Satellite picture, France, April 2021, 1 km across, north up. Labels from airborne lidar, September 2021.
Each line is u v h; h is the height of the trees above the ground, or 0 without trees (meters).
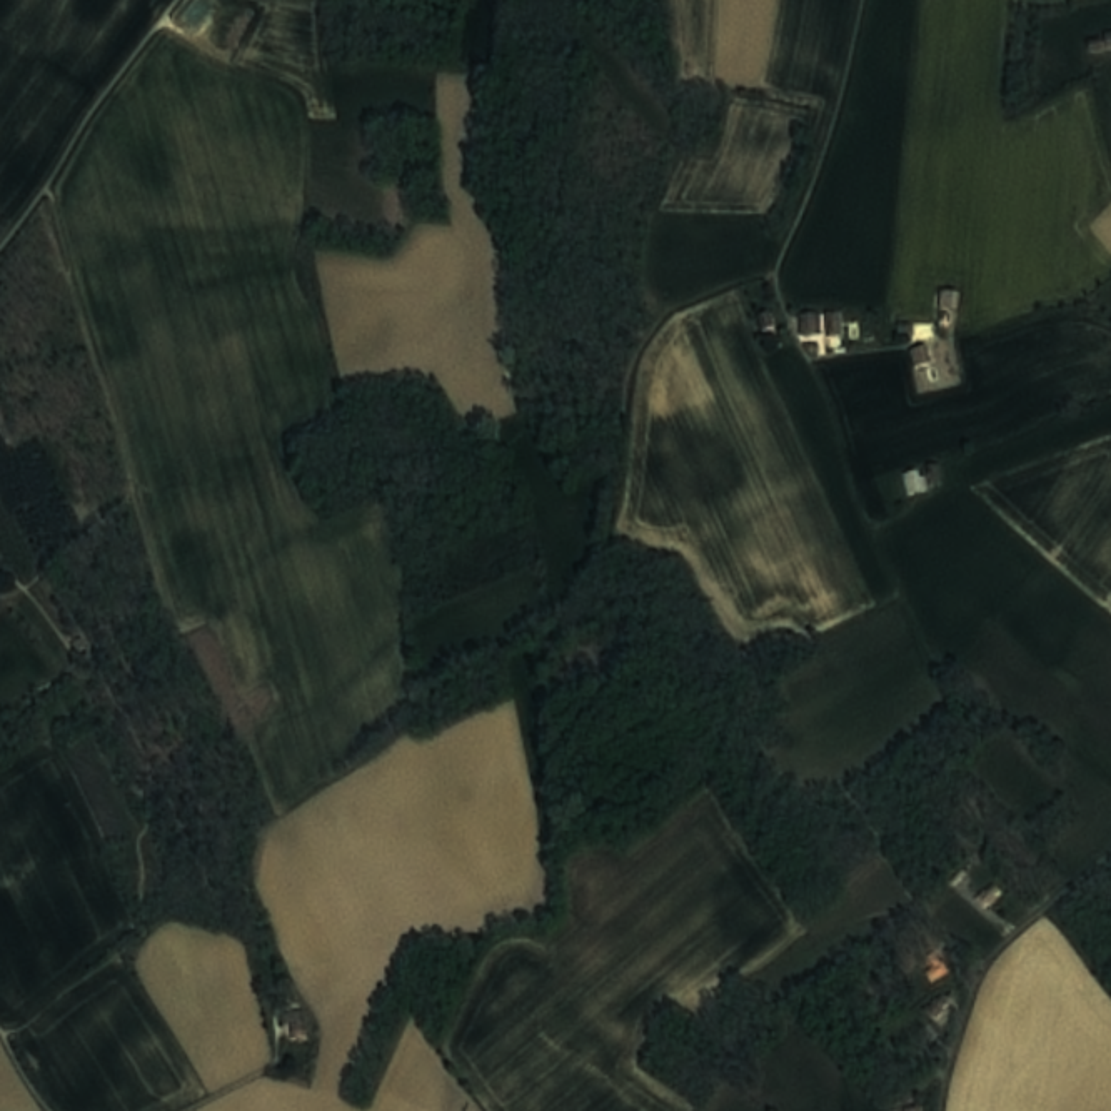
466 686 22
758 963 0
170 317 0
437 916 0
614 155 7
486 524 20
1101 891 17
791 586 0
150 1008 0
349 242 21
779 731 15
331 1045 0
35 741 14
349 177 0
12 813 0
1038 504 0
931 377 0
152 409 0
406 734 21
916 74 0
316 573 0
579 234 20
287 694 0
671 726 19
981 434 0
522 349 22
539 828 0
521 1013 0
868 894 0
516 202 24
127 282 0
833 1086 0
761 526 0
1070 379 0
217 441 0
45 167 0
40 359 10
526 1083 0
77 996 0
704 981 0
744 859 0
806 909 18
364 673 0
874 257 0
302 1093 0
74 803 0
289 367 0
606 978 0
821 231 0
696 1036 18
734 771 19
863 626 0
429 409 19
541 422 12
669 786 26
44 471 8
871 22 0
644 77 16
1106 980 14
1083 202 0
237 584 0
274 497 0
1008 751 0
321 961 0
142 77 0
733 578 0
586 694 29
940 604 0
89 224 0
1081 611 0
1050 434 0
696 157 15
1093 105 0
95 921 0
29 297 15
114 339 0
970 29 0
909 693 0
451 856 0
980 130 0
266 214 0
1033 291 0
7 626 0
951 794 14
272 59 0
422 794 0
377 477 19
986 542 0
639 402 0
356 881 0
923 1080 16
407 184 15
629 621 21
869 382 0
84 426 14
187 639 16
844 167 0
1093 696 0
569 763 24
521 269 27
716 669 21
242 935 14
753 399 0
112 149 0
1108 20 0
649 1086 0
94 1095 0
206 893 17
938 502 0
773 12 0
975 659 0
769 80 0
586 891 0
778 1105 0
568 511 0
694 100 20
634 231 9
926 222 0
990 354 0
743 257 0
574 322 21
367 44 15
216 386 0
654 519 0
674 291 0
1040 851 15
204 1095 0
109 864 11
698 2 0
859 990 22
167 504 0
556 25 17
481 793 0
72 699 7
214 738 11
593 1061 0
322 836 0
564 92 14
